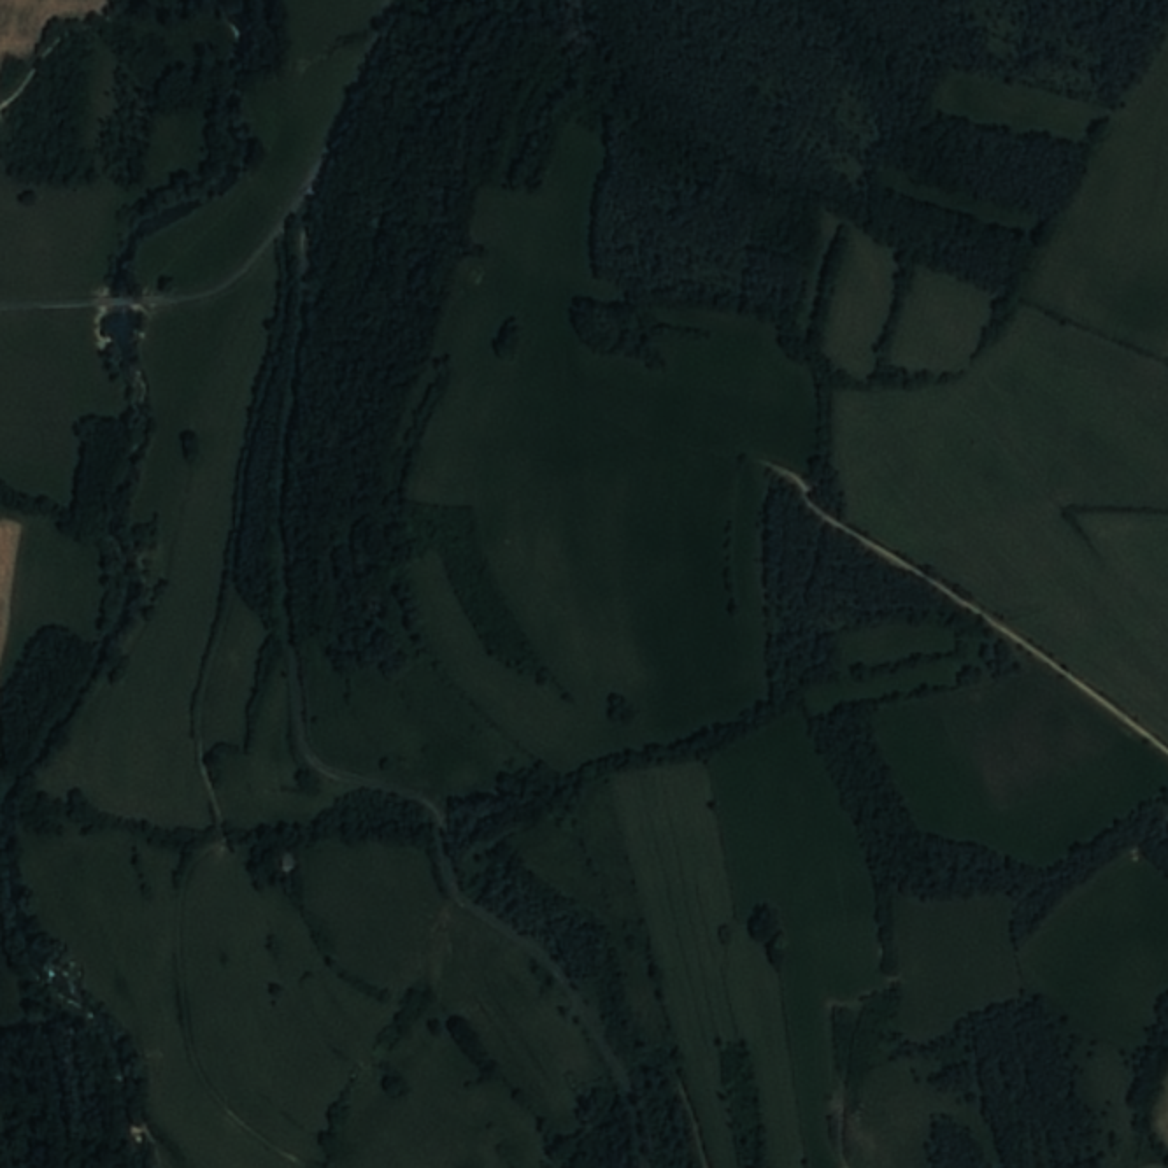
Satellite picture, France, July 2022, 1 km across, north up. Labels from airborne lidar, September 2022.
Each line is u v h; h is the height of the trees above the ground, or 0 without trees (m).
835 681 9
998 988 0
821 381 10
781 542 19
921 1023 0
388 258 14
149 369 0
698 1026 0
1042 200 22
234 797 0
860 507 0
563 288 0
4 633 0
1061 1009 0
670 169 21
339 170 18
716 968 0
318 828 16
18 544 0
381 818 18
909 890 13
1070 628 0
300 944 0
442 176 13
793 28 21
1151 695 0
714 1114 0
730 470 0
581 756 0
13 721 18
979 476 0
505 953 0
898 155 19
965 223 18
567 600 0
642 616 0
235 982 0
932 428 0
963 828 0
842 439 0
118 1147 15
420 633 7
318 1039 0
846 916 0
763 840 0
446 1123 0
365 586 17
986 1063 13
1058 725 0
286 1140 0
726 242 17
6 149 7
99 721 0
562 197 0
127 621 7
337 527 17
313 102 0
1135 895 0
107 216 0
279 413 15
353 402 19
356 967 0
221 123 21
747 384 0
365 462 13
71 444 0
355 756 0
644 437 0
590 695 0
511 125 17
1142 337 0
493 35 18
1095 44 11
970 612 9
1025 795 0
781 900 0
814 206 17
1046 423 0
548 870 0
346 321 16
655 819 0
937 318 0
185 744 0
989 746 0
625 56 25
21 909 18
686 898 0
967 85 0
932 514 0
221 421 0
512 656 6
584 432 0
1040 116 0
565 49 13
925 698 13
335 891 0
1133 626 0
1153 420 0
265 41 31
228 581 9
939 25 21
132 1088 11
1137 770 0
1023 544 0
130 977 0
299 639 14
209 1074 0
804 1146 0
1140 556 0
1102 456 0
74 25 11
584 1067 0
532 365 0
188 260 0
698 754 12
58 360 0
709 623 0
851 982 0
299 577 12
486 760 0
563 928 16
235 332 0
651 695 0
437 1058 0
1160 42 17
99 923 0
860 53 23
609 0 26
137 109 17
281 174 0
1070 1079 11
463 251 20
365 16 0
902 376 10
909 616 9
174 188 12
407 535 7
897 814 16
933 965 0
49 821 9
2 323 0
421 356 16
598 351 14
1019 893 14
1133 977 0
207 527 0
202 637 0
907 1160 0
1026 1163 16
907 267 16
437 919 0
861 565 17
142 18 23
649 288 17
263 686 8
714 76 25
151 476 0
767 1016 0
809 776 0
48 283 0
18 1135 21
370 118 19
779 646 11
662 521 0
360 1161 0
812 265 9
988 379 0
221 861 0
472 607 7
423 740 0
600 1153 6
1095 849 11
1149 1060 12
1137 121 0
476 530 6
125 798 0
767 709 17
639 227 15
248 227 0
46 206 0
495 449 0
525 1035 0
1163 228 0
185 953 0
